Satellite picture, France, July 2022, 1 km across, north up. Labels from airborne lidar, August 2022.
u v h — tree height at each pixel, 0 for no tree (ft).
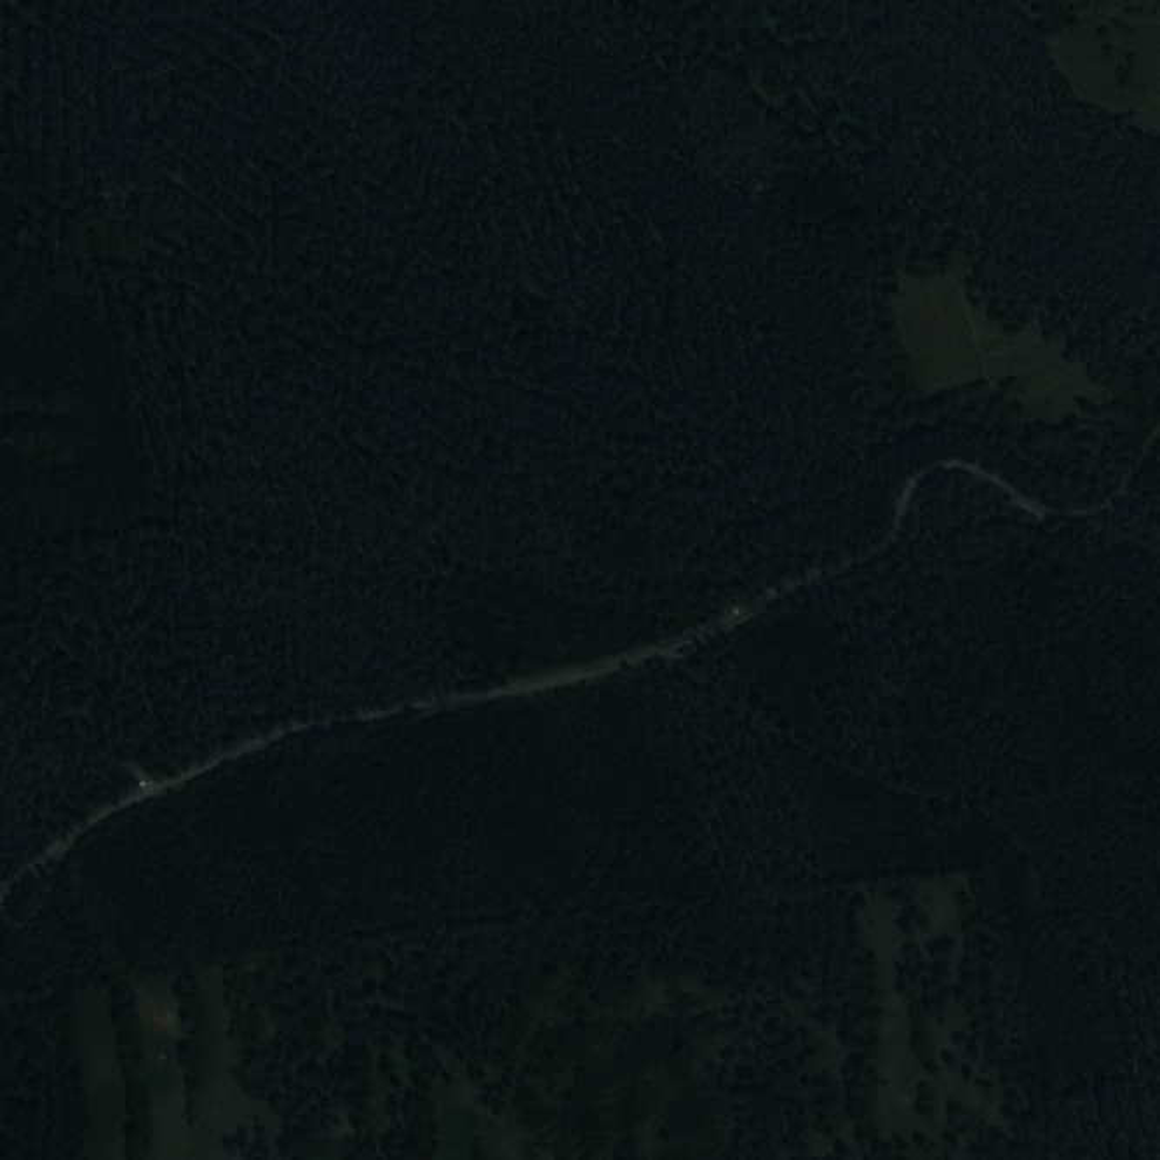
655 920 57
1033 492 75
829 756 19
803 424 82
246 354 23
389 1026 57
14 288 33
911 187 58
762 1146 60
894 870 21
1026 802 33
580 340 92
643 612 38
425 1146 49
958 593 26
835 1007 52
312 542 75
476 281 75
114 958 38
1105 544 73
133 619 35
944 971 54
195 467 18
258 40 81
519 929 50
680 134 68
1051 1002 21
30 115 76
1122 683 18
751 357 77
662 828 42
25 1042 65
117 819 40
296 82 84
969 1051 46
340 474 64
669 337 62
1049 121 85
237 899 22
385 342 26
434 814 33
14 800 69
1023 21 77
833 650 27
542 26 63
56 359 23
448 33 76
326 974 67
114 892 27
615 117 70
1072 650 24
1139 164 80
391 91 80
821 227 51
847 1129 0
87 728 73
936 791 19
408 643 65
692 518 79
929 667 34
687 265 72
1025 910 22
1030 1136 54
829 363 89
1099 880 27
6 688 50
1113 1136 70
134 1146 43
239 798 26
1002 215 62
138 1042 23
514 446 58
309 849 40
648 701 36
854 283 76
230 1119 0
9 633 60
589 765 21
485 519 65
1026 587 20
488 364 71
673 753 36
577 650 20
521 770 22
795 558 37
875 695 52
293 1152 43
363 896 41
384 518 77
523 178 78
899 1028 0
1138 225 75
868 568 34
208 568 68
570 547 47
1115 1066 21
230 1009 20
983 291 70
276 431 82
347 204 75
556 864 30
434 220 74
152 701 59
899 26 83
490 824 31
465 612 26
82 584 40
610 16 79
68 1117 73
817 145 30
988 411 63
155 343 24
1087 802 20
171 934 33
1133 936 30
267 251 58
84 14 66
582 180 81
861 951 47
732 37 25
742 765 77
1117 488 50
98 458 24
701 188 78
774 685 26
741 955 55
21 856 85
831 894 61
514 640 25
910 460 66
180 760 28
